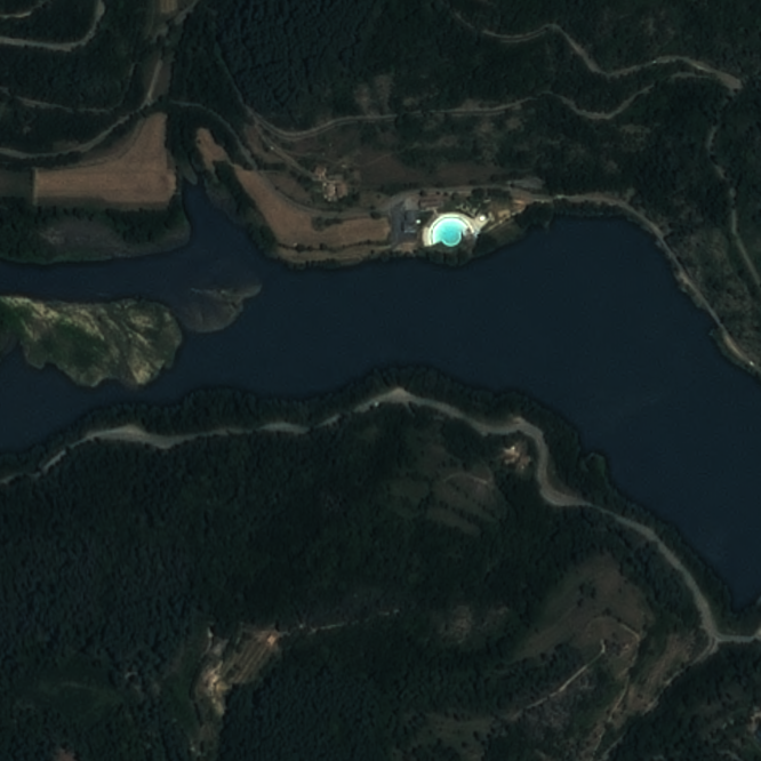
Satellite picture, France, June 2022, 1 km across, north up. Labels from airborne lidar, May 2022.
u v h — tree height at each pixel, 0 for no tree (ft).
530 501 32
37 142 36
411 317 0
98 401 0
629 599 0
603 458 0
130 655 89
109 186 0
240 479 69
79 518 46
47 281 0
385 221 0
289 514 52
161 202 0
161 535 82
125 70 28
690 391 0
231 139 48
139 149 0
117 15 68
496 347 0
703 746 20
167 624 78
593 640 0
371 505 42
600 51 41
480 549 36
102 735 31
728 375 0
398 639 59
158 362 0
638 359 0
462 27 47
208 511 83
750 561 0
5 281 0
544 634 0
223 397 64
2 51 40
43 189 0
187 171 0
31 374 0
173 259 0
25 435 0
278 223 0
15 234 23
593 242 0
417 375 55
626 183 37
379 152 0
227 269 0
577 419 0
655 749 61
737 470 0
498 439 33
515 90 53
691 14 30
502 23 35
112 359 0
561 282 0
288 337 0
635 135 29
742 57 29
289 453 58
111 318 0
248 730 138
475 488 0
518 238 0
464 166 0
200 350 0
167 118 28
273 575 100
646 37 24
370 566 77
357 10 100
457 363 0
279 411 52
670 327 0
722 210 25
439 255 26
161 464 49
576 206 44
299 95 89
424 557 22
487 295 0
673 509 0
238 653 31
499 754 55
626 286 0
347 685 122
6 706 42
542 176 36
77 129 54
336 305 0
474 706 41
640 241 0
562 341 0
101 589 53
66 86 31
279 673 73
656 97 32
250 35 98
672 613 37
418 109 34
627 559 22
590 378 0
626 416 0
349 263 0
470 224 0
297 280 0
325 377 0
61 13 41
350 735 85
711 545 0
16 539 62
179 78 50
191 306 0
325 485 58
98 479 62
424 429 22
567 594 0
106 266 0
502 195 33
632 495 0
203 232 0
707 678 37
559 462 49
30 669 20
